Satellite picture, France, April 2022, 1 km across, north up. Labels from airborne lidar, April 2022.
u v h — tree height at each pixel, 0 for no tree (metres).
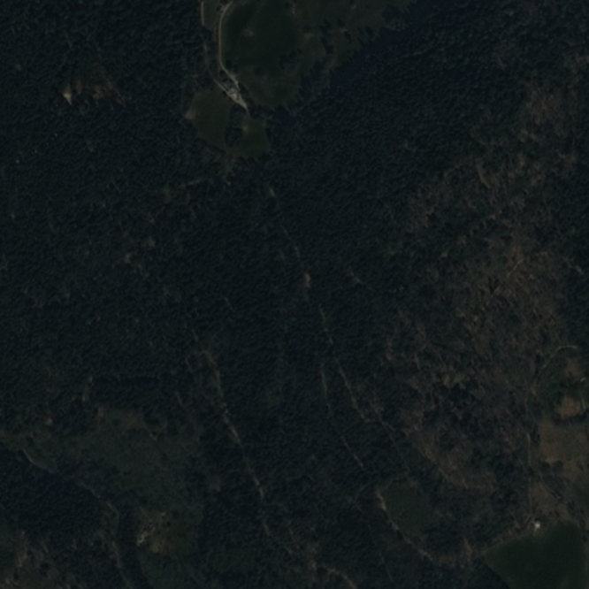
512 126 17
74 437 21
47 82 31
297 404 25
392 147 24
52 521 32
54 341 25
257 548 23
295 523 22
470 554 23
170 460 24
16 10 26
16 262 28
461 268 28
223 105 0
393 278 20
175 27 37
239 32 0
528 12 28
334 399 18
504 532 20
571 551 0
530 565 0
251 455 26
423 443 23
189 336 29
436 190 27
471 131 16
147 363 24
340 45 0
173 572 30
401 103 21
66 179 26
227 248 33
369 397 18
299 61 24
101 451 28
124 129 33
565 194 22
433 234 27
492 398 38
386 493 15
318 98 12
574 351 7
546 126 29
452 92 24
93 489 14
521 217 26
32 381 26
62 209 29
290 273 25
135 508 25
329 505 17
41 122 26
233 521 23
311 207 19
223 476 17
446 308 26
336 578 14
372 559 13
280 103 0
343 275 23
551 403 8
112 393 27
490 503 24
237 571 15
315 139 20
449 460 27
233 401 23
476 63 27
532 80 22
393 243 20
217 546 23
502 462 14
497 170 23
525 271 9
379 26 0
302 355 20
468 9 21
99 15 38
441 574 24
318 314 25
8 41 27
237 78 0
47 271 18
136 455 27
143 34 29
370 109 26
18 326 25
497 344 36
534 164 11
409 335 26
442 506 20
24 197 25
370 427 22
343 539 9
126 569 12
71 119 22
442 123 20
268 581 22
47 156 24
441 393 27
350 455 27
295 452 23
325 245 18
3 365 26
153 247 16
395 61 26
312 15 0
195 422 19
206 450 13
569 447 0
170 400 26
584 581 0
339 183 18
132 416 27
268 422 8
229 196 44
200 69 21
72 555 32
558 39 29
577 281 32
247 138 0
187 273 33
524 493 28
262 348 27
